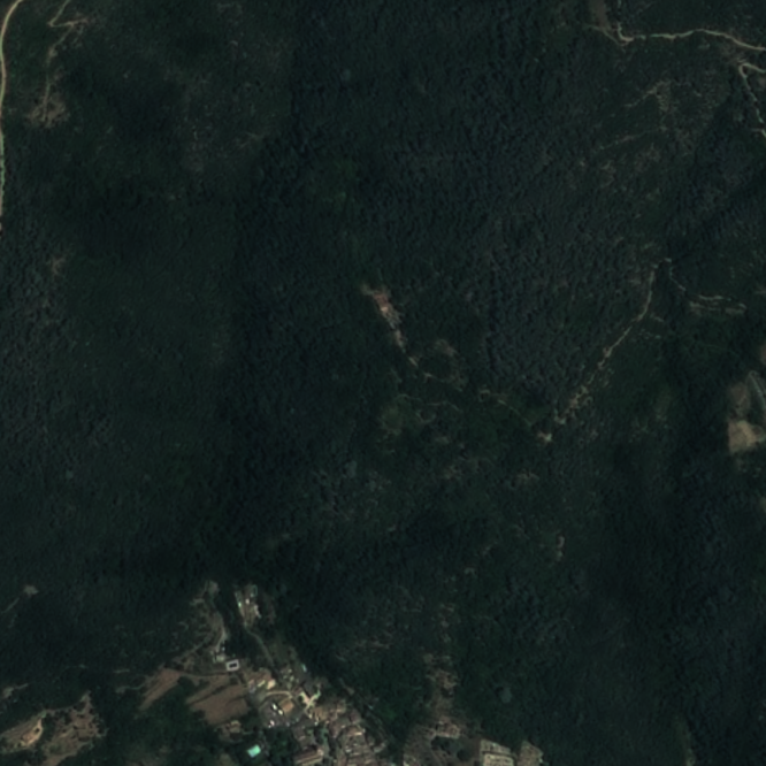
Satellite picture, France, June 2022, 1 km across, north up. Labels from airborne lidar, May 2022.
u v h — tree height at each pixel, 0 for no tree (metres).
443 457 10
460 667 9
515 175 18
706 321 9
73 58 11
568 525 7
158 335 12
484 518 7
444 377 8
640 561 15
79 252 9
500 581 6
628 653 19
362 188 17
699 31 8
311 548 17
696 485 20
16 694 17
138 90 11
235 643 12
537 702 10
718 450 13
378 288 17
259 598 6
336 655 7
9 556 10
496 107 21
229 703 0
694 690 11
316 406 16
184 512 22
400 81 14
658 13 7
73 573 17
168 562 15
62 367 8
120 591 11
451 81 11
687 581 22
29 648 16
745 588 9
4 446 13
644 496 15
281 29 12
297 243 12
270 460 7
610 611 11
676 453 19
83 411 9
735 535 16
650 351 10
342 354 17
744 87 10
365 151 16
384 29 7
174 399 18
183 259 15
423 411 8
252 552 24
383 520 12
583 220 22
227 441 10
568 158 16
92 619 10
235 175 14
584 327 11
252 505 17
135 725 9
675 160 22
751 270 7
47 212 15
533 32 14
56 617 13
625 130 11
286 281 18
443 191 10
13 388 9
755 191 15
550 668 15
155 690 0
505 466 13
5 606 9
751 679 17
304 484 8
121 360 9
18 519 12
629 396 9
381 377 9
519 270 22
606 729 6
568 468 15
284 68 10
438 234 12
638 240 10
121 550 8
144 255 11
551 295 8
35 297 25
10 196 10
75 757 7
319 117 14
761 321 10
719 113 14
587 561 12
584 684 8
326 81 11
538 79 7
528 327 20
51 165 10
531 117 18
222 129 13
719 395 14
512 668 10
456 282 13
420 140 7
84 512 9
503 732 7
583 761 7
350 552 14
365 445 18
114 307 10
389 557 14
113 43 7
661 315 13
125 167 11
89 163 19
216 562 8
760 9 10
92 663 12
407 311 8
